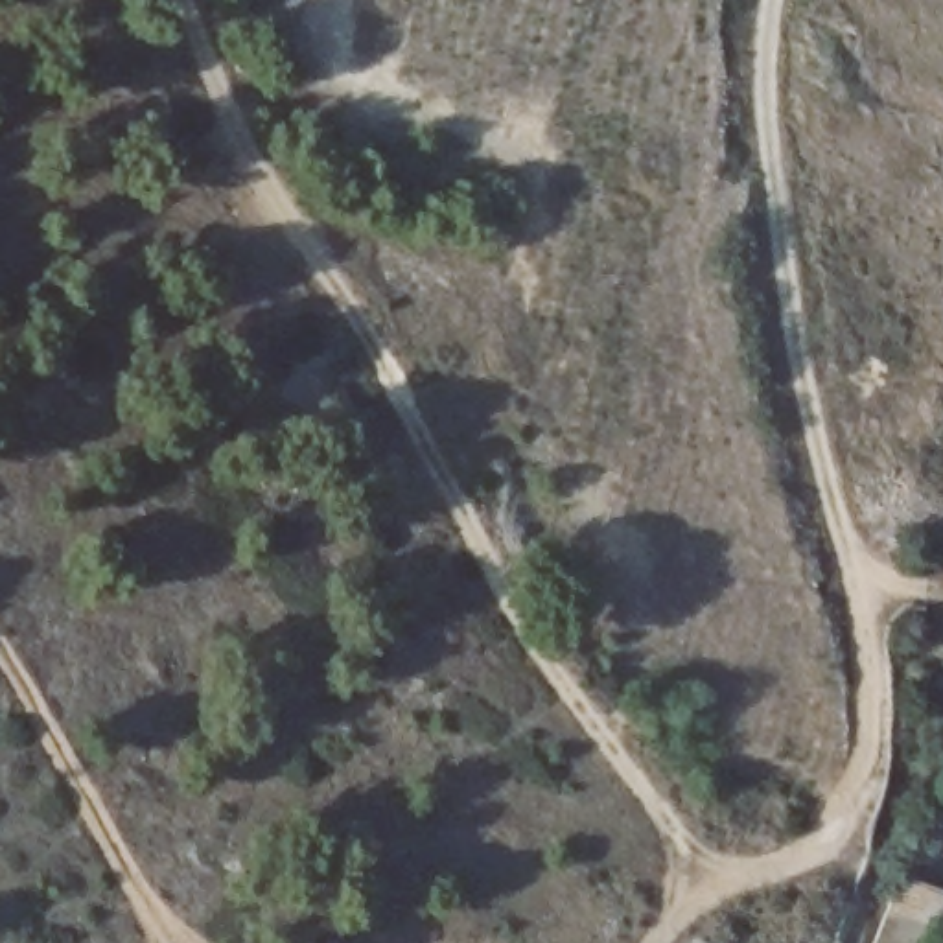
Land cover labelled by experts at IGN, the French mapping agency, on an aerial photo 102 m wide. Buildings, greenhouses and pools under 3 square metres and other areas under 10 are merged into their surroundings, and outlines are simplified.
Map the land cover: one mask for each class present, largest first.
<instances>
[{"label":"herbaceous vegetation","instance_id":"1","mask_svg":"<svg viewBox=\"0 0 943 943\"><path fill-rule=\"evenodd\" d=\"M777 118L788 173V210L803 214V232L810 247V258L799 262L810 372L821 387L829 442L840 468L851 527L869 556L891 564L899 549V527L917 523L925 538V571L917 578L943 575V0H785L777 52ZM177 44L169 48L180 55L184 77H173L162 88H133L129 103H147V111H155L158 118H195L203 125V155L195 177L180 188L184 203H177V210L162 221L129 195H103L81 206L63 225V232L92 247L103 265H96L85 280L88 302L81 309L88 317L74 332H59L52 368L29 383V424L18 438L22 460L0 464V623L7 626V637L15 641L22 663L29 667L33 681L41 685L48 707L55 711L66 733L77 722L92 718L96 737L111 751L173 748L192 726H199V693H162L151 678L140 674L136 663L155 659L158 652H173V659L184 670L203 674V663H210V656L221 648V637H214L217 619H250V626H258L254 641H247L243 648L247 663L262 674L265 715L273 722V740L265 748H258L254 755H239L236 748L221 751L206 774V785H214V792L188 799L177 796L173 781L151 788L136 770L92 766L88 774L99 785L103 803L111 807L125 844L133 847L144 869L173 844H195L206 869L225 880V858H236L262 821H273L287 807V799H298L306 792L309 799L324 803L317 821L328 836H346L350 844L365 847V884L357 891L368 925L361 932H335L328 943H641L663 914L667 840L648 818L645 803L626 788V781L604 763L597 748L575 763V774L586 781V792H560L545 785L508 781L505 766H494L483 755V737L449 733L442 726L446 696L427 689L420 674L464 652L460 645L446 641L449 626L497 604L501 597L508 586H516V564L530 549H545L556 534H575L586 519L575 508V497L556 494L553 468L541 460H523L505 435H497L494 424V413H501L508 402V383L490 379L505 361L501 339L512 335L516 324L530 313L523 309V291L508 273L512 258L505 265H472L468 258L424 262L413 258L398 239L372 243L354 236L357 243L339 269L361 291V306H339L332 295L317 287V273L295 250L291 236L258 214L250 180H258L254 162H265L273 129L295 111H309V103L320 96L313 92L262 96L247 81L228 88V77L217 66L221 22L199 11V18L173 26ZM147 243L166 250L173 273L180 269L184 254H195L203 269L210 262H228L236 273L232 298L247 313L236 335L247 343L250 368L262 376L258 387H243L236 376L225 383V402L214 409V416H221L236 435L273 431L291 416H306L328 394L339 398V409L361 413L365 446L376 457L379 475L387 479L365 494L372 534L383 541L376 578L398 582L405 589V600L394 608L398 615L383 623L390 637L379 645V656L368 670L372 678L398 681L390 707L376 704L368 689L339 696L328 685V663L335 656L332 623L313 615H284V600L273 597L262 575L247 582H225L217 571L236 556V541L221 530L195 523L188 512H151L133 523L107 527L103 534L111 541H122V564L114 571L136 578L129 604H96L88 611L70 608L63 541L59 530L41 519V497L52 483H63L66 494L81 486H96L107 494L125 475L122 449L144 446V435L118 420V376L129 368L133 313H147L166 298L162 284L147 273ZM379 354H394L405 368V387L416 402L402 413L379 383ZM460 505H475L486 538L497 545V564L479 560L464 545L446 549L420 545L409 538L413 523L453 512ZM365 711L379 722V740L372 748H361L324 781L291 785L276 777L280 766L298 751V744H309L313 737H320L324 726L361 718ZM435 877H449L464 906L453 910L446 925L420 914ZM37 55L22 44H11V26L0 18V306L15 295L26 298L29 280L41 276L48 265L52 243L44 239V192L26 180V169L33 162V122L44 118V111H63V99L55 92H41L29 85ZM921 608V634L914 652L925 674L943 667V600H914ZM512 729L519 737H527L530 729H560L564 737L582 733L578 718L556 696L553 704L516 718ZM66 777L41 740L0 748V943H29L48 921L81 928L85 943H147V932L122 888V877L111 869L103 847L88 832L81 814L66 829H52L37 818L41 799ZM70 869L85 877L81 895H66L59 888H52L48 895L33 891L44 873L63 877ZM910 781L906 766L891 763L880 814L869 810L855 825L836 862L807 869L785 884L726 899L722 906L685 925L670 943H869L884 902L873 895L877 884L866 880V869L873 840L888 844L891 836L895 803ZM685 818L689 832L704 836L715 851L766 855L777 847L770 836L737 829L722 803L715 796L711 777L704 770H685L667 774L656 785Z\"/></svg>","mask_w":943,"mask_h":943},{"label":"deciduous trees","instance_id":"2","mask_svg":"<svg viewBox=\"0 0 943 943\"><path fill-rule=\"evenodd\" d=\"M199 11L221 22L217 66L228 77V88L247 81L262 96L313 92V81L302 85L291 77V63L276 52V37L269 26L276 15H284L287 26H306V11L287 7V0H0V18L11 26V44H22L37 55L29 85L41 92H55L63 99V111H44V118L33 122V162L26 169V180L44 192V239L52 243L48 265L41 276L29 280L26 298L15 295L0 306V464L22 460L18 438L29 424V383L52 368L59 332H74L88 317L81 309L88 302L85 280L96 265H103L92 247L63 232V225L81 206L103 195H129L162 221L177 210V203H184L180 188L195 177L203 155V125L195 118H158L155 111H147V103H129L133 88H162L173 77H184L180 55L169 48L177 44L173 26L199 18ZM416 122L402 118L398 99L320 96L309 103V111H295L273 129L265 162L276 166L280 180L291 188L302 210L295 225H332L324 232V243L339 269L357 243L354 236L372 243L398 239L413 258L424 262L468 258L472 265H505L512 258L516 247L508 239H497L490 225L475 221L472 180H457L449 188L438 177L435 162L416 147ZM147 273L162 284L166 298L147 313H133L129 368L118 376V420L144 435V446L122 449L125 475L107 494L96 486H81L66 494L63 483H52L41 497V519L59 530L63 541L70 608L88 611L96 604H129L136 578L114 571L122 564V541H111L103 534L107 527L133 523L151 512H188L195 523L221 530L236 541V556L217 571L225 582H247L262 575L273 597L284 600V615H313L332 623L335 656L328 663V685L339 696L368 689L376 704L390 707L398 681L372 678L368 670L379 656V645L390 637L383 623L398 615L394 608L405 600V589L398 582L376 578L383 541L372 534L365 494L387 479L379 475L376 457L365 446L361 413L339 409V398L328 394L306 416H291L273 431L236 435L221 416H214V409L225 402V383L236 376L243 387H258L262 376L250 368L247 343L236 335L247 313L232 298L236 273L228 262H210L203 269L195 254H184L180 269L173 273L166 250L147 243ZM409 538L420 545L446 549L464 545L453 512L413 523ZM925 538L917 523L899 527V549L891 564L895 571L917 578L925 571ZM501 597L519 608L527 637H534V645L545 656L567 663L578 674L582 689L600 704V711L626 715L623 744L656 785L667 774L685 770H704L711 777L718 759H733L737 751L744 755V729L733 722L715 733L707 715H696L711 700L704 681H681L674 667L648 670L641 667L645 641H615V619L608 615L611 589L600 582L593 567V549L575 534H556L545 549H530L516 564V586H508ZM446 641L460 645L464 652L420 674L427 689L446 696L442 726L449 733L483 737V755L494 766H505L508 781L545 785L560 792H586V781L575 774V763L597 748L582 733L564 737L560 729H530L527 737H519L512 729L516 718L553 704L556 696V689L530 663L527 648L512 634L497 604L449 626ZM258 626H250V619H217L214 637H221V648L210 656V663H203V674L184 670L173 659V652H158L155 659L136 663L140 674L151 678L162 693H199V726H192L173 748L111 751L96 737L92 718L77 722L66 733L88 774L92 766L136 770L151 788L173 781L177 796L188 799L214 792V785H206V774L221 751L236 748L239 755H254L258 748H265L273 740V722L265 715L262 674L247 663L243 648L247 641H254ZM917 689L932 715L921 722L914 740L917 759L906 766L910 781L895 803L891 836L888 844L873 840L866 869V880L877 884L873 895L884 902L902 899L914 884L906 869L914 855L943 862V667L925 674ZM379 740V722L365 711L361 718L324 726L320 737H313L309 744H298V751L280 766L276 777L291 785L324 781L361 748H372ZM324 803L309 799L306 792L298 799H287V807L273 821H262L236 858H225V880L206 869L195 844H173L144 869L147 884L162 895V902L210 943H328L335 932H361L368 925L357 891L365 884V847L350 844L346 836H328L317 821ZM453 910L464 906L449 877H435L420 914L446 925Z\"/></svg>","mask_w":943,"mask_h":943},{"label":"agricultural land","instance_id":"3","mask_svg":"<svg viewBox=\"0 0 943 943\"><path fill-rule=\"evenodd\" d=\"M376 7L398 26V48L390 55L402 63V77H438L453 99L449 118H479L483 129H494L505 118L508 96L545 99L553 107L549 136L560 151L556 162L575 166L582 173L589 199H575L560 232L530 247H516L512 258L508 273L523 291V309L530 313L516 324L512 335L501 339L505 361L490 379L508 383V402L501 413H494V424L497 435H505L523 460H541L553 468L556 494L575 497V508L586 519L575 534L593 549V567L600 582L611 589L608 615L615 619V641H645L641 667L648 670L674 667L681 681H704L711 700L696 715H707L715 733L733 722L744 729V755L737 751L733 759H718L711 777L715 796L722 803L744 788L763 792L766 774L774 766L810 785L821 799L844 781L858 748V689L844 681L840 648L818 597V564L810 556H799L796 549L785 497L770 475L763 435L755 427V405L763 402L770 405V424L777 435H803L807 427L796 394L799 372L788 365L781 324V258L770 243V199L763 162L755 151L751 77L759 0H376ZM737 214L748 228L740 239V284L748 287V306L759 317V350L766 361V376L759 383H751L740 368L733 284L722 273L715 250L726 221Z\"/></svg>","mask_w":943,"mask_h":943},{"label":"pervious surface","instance_id":"4","mask_svg":"<svg viewBox=\"0 0 943 943\"><path fill-rule=\"evenodd\" d=\"M287 7L306 11V26H287L284 15H276L269 26L276 37V52L291 63V77L302 85L313 81V92L320 96L398 99L402 118L416 122V147L435 162L438 177L449 188L457 180H472L475 221L490 225L497 239H508L516 247H530L560 232L575 199H589L582 173L575 166L556 162L560 151L549 136L553 107L545 99L508 96L505 118L494 129H483L479 118H449L453 99L438 77H402V63L390 55L398 48V26L376 7V0H287ZM785 0H759L751 77L755 151L763 162L770 199V243L781 258V324L788 365L799 372L796 394L807 427L803 435L814 486L821 497V516L851 604L862 670L858 689V748L844 781L821 799V825L777 847L766 855L715 851L704 836L689 832L685 818L656 785L623 744L626 715L600 711V704L582 689L578 674L567 663L545 656L534 645V637H527L519 608L501 597L497 604L512 634L527 648L530 663L556 689V696L578 718L582 733L597 748L604 763L626 781V788L645 803L648 818L667 840L663 914L641 943H670L685 925L722 906L726 899L785 884L807 869L836 862L855 825L869 810L880 814L891 763L888 637L891 623L914 600H943V575L917 578L895 571L891 564L869 556L851 527L840 468L829 442L821 387L810 372L799 262L810 258V247L803 232V214L788 210V173L777 118V52ZM258 180H250L258 214L291 236L295 250L317 273V287L332 295L339 306H361V291L339 269L324 243V232L332 225H295L302 210L291 188L280 180L276 166L265 162H254ZM379 383L402 413L416 402L405 387V368L394 354H379ZM464 545L479 560L497 564V545L486 538L475 505H460L453 512ZM26 707L29 715H37L44 726L41 740L66 777L77 792L81 814L88 832L103 847L111 869L122 877V888L147 932V943H210L162 902V895L147 884L144 869L133 847L125 844L111 807L103 803L99 785L88 774L66 733L55 711L48 707L41 685L33 681L29 667L22 663L15 641L7 637V626L0 623V711ZM914 884H932L943 891V862L914 855L906 869Z\"/></svg>","mask_w":943,"mask_h":943},{"label":"brushwood","instance_id":"5","mask_svg":"<svg viewBox=\"0 0 943 943\"><path fill-rule=\"evenodd\" d=\"M748 228L737 214L726 221L715 250L722 273L733 284L740 368L751 383H759L766 376V361L759 350V317L748 306V287L740 284V239ZM755 427L763 435L770 475L785 497L796 549L799 556H810L818 564V597L840 648L844 681L858 689L862 670L851 604L821 516V497L814 486L803 435H777L770 424V405L763 402L755 405ZM921 634V608L914 600L891 623L888 637L891 763L906 766L917 759L914 740L921 722L932 715L917 689L925 674L914 652ZM44 726L37 715H29L26 707L0 711V748L41 740ZM737 829L770 836L777 847L821 825V799L810 785L774 766L766 774L763 792L744 788L722 803ZM81 814L77 792L66 777L41 799L37 818L52 829H66ZM52 888H59L66 895H81L85 877L70 869L63 877L44 873L33 891L48 895ZM29 943H85L81 928L48 921Z\"/></svg>","mask_w":943,"mask_h":943},{"label":"building","instance_id":"6","mask_svg":"<svg viewBox=\"0 0 943 943\"><path fill-rule=\"evenodd\" d=\"M869 943H943V891L932 884H914L902 899L884 902Z\"/></svg>","mask_w":943,"mask_h":943}]
</instances>
